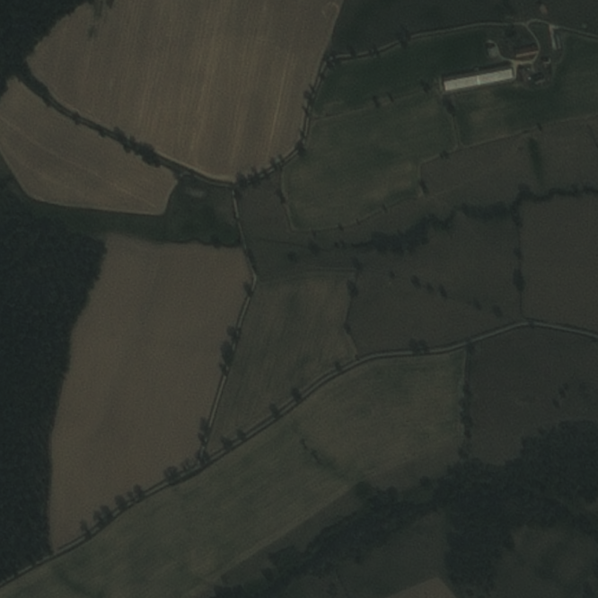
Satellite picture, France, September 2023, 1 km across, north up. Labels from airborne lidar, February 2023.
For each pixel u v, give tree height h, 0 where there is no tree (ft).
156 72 0
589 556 0
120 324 0
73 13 0
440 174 0
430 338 0
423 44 0
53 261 106
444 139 0
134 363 0
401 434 0
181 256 0
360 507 0
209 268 0
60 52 0
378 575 0
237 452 0
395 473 0
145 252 0
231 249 0
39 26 35
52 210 0
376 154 0
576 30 0
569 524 24
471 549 50
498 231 0
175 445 0
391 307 0
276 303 0
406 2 0
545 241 0
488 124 0
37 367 122
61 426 0
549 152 0
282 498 0
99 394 0
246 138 0
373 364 0
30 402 108
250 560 0
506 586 0
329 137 0
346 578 0
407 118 0
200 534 0
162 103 0
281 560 31
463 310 0
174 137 0
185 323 0
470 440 0
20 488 113
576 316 0
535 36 0
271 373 0
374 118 0
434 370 0
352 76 0
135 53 0
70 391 0
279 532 0
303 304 0
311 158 0
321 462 0
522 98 0
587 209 0
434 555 0
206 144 0
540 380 0
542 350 0
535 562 0
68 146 0
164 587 0
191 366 0
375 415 0
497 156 0
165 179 0
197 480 0
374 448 0
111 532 0
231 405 0
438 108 0
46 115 0
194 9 0
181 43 0
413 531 0
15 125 0
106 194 0
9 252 78
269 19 0
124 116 0
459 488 58
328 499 0
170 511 0
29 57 0
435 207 0
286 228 0
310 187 0
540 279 0
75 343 0
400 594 0
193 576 0
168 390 0
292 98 0
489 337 0
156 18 0
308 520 0
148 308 0
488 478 57
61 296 45
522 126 0
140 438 0
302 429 0
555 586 0
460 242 0
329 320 0
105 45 0
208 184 0
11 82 0
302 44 0
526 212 0
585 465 42
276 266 0
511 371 0
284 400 0
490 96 0
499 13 0
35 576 0
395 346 0
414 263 0
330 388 0
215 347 0
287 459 0
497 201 0
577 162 0
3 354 111
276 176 0
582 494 54
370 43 0
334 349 0
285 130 0
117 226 0
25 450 110
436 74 0
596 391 0
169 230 0
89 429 0
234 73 0
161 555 0
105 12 0
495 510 64
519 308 0
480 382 0
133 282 0
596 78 0
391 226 0
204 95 0
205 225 0
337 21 0
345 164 0
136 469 0
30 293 114
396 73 0
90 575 0
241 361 0
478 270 0
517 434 0
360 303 0
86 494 0
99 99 0
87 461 0
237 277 0
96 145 0
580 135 0
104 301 0
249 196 0
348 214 0
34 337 27
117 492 0
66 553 0
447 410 0
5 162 0
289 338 0
